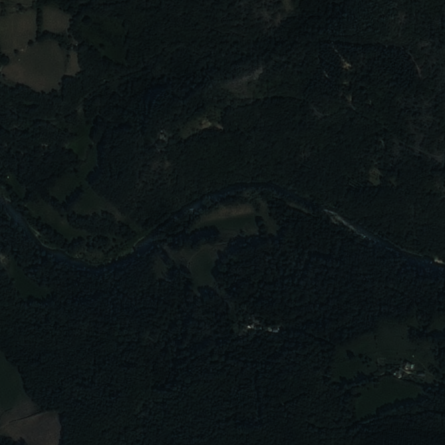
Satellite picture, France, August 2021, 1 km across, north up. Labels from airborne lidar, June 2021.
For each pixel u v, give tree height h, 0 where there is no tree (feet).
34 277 63
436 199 56
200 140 67
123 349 75
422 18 47
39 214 0
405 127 48
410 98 54
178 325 79
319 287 76
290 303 80
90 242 40
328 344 60
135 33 75
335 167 77
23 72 0
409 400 0
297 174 57
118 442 78
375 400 0
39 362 73
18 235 68
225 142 77
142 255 84
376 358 0
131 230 60
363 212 77
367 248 73
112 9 44
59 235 65
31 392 64
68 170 67
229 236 0
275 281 34
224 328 37
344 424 68
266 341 52
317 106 25
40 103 63
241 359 43
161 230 51
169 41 62
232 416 33
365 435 66
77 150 0
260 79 37
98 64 85
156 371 70
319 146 71
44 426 0
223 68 55
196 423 59
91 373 67
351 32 45
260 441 66
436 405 64
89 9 63
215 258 0
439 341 66
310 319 31
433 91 36
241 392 32
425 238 80
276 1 35
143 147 36
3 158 81
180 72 89
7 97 59
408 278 85
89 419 67
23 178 76
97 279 77
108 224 71
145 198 42
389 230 72
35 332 72
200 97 43
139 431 76
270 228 0
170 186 26
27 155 52
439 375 56
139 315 68
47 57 0
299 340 51
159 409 67
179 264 0
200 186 89
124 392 69
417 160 62
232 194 25
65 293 65
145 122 51
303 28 70
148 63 71
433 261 0
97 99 77
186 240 92
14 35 0
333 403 74
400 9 38
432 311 85
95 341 56
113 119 64
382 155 52
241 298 60
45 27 0
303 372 58
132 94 36
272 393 74
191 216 44
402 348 0
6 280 53
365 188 32
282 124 79
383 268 80
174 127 47
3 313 74
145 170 32
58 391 64
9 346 66
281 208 52
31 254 88
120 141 72
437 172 69
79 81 49
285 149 94
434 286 69
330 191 91
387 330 0
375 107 53
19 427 0
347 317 85
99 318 81
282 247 72
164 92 99
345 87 52
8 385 0
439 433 56
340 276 94
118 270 84
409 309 74
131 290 81
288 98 51
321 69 83
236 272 53
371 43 26
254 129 46
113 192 73
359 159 48
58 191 0
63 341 64
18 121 60
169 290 33
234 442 71
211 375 66
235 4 37
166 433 57
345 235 58
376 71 67
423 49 43
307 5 34
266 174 92
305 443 69
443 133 41
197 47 45
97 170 0
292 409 62
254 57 73
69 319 83
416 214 37
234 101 42
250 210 0
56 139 69
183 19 63
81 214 0
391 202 80
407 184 60
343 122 75
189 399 63
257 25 44
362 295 74
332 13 68
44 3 50
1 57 37
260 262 80
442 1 64
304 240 50
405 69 102
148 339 23
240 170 93
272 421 69
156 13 72
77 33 36
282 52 66
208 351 53
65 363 71
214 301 62
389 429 61
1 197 0
